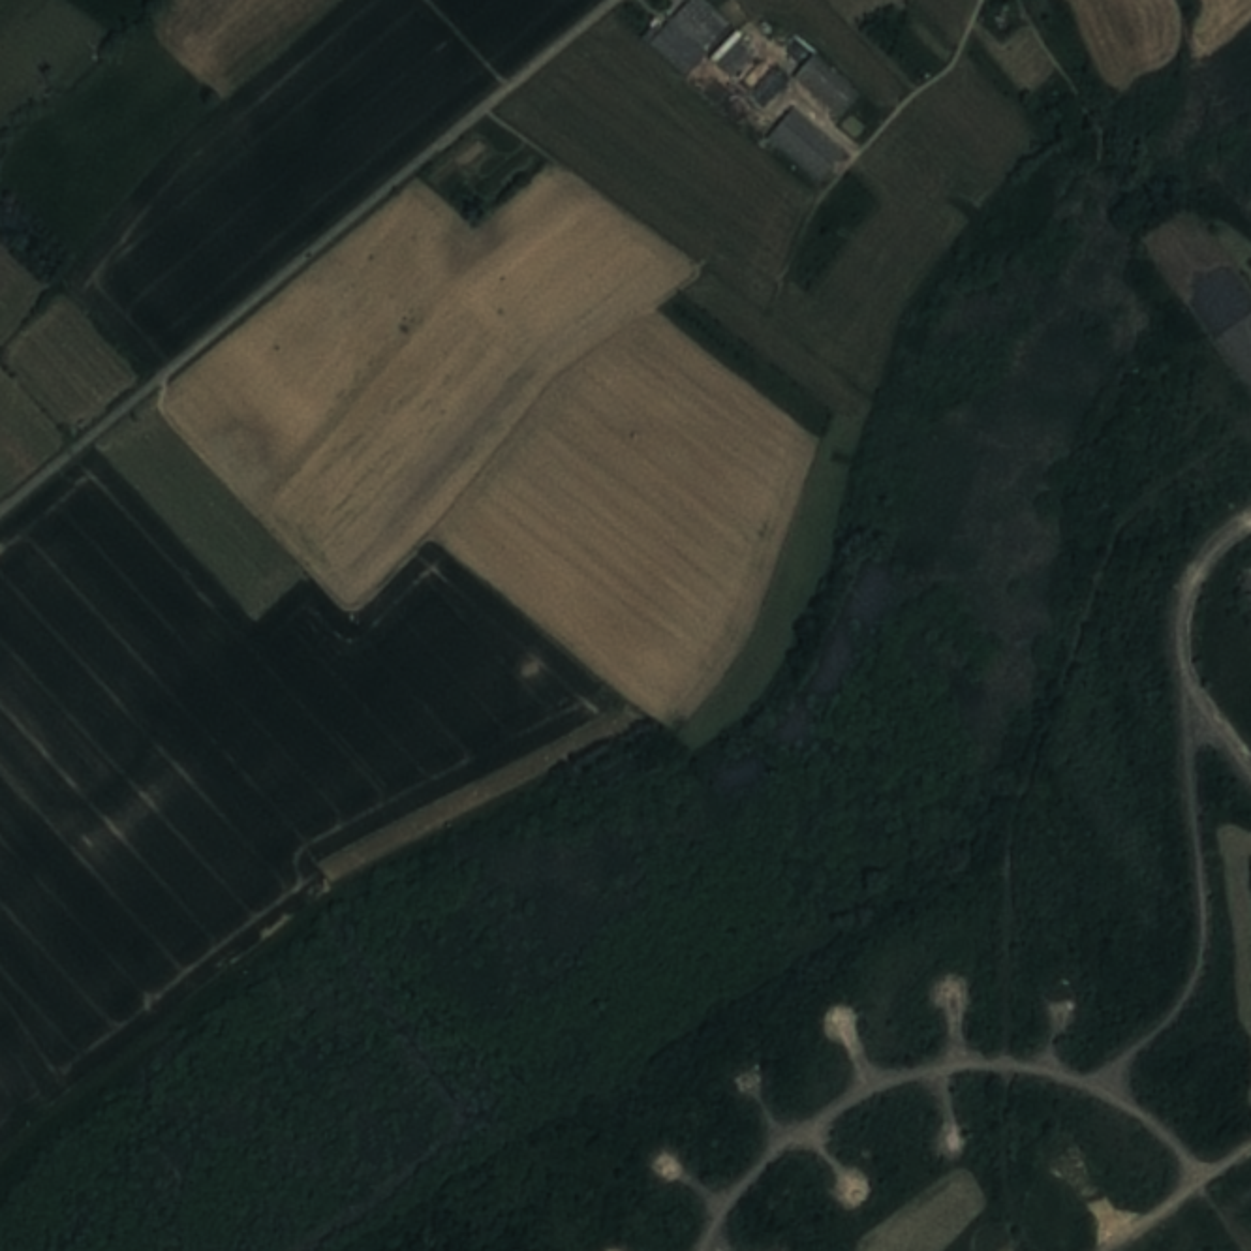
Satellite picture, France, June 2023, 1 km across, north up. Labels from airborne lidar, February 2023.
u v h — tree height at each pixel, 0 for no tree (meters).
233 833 0
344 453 0
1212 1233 0
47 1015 0
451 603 0
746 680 0
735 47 0
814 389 0
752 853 6
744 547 0
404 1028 0
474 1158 6
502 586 0
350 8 0
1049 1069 0
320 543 0
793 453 0
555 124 0
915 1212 0
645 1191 6
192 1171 6
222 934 0
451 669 0
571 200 0
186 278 0
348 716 0
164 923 0
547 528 0
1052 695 7
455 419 0
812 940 0
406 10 0
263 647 0
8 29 0
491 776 0
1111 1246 0
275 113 0
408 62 0
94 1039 0
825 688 0
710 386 0
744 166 0
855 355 0
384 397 0
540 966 5
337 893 0
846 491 0
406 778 0
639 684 0
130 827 0
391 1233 6
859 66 0
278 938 0
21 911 0
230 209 0
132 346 0
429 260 0
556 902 0
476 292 0
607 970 5
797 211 0
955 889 8
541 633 0
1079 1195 0
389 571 0
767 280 0
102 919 0
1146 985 8
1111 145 13
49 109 0
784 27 0
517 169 0
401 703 0
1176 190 20
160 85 0
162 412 0
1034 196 0
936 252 0
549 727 0
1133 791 8
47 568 0
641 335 0
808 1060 6
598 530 0
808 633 12
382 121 0
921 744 6
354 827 0
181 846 0
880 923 8
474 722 0
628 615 0
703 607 0
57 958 0
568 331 0
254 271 0
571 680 0
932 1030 7
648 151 0
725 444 0
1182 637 0
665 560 0
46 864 0
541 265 0
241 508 0
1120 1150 0
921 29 0
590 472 0
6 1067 0
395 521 0
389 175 0
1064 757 11
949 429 0
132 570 0
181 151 0
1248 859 0
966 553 0
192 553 0
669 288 0
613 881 6
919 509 0
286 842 0
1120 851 6
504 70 0
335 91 0
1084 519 7
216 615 0
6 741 0
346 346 0
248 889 0
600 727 0
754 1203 10
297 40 0
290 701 0
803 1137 0
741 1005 7
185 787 0
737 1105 8
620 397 0
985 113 0
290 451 0
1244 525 0
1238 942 0
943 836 6
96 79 0
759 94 0
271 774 0
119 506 0
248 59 0
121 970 0
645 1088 6
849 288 0
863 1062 0
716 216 0
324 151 0
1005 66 0
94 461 0
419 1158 0
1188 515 9
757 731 16
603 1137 8
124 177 0
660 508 0
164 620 0
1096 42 0
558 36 0
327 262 0
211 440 0
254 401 0
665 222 0
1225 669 0
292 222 0
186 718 0
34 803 0
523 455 0
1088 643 6
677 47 0
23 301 0
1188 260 0
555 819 6
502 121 0
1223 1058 6
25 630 0
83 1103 0
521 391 0
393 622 0
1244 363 0
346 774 0
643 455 0
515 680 0
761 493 0
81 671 0
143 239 0
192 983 0
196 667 0
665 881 6
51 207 0
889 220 0
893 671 6
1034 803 6
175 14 0
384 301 0
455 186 0
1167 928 7
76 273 0
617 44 0
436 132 0
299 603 0
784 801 5
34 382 0
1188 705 0
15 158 0
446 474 0
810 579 0
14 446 0
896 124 0
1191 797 0
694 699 0
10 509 0
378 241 0
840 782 7
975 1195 0
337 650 0
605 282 0
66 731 0
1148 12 0
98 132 0
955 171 0
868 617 0
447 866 7
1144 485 6
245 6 0
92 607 0
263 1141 6
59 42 0
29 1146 0
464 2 0
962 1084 6
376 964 6
